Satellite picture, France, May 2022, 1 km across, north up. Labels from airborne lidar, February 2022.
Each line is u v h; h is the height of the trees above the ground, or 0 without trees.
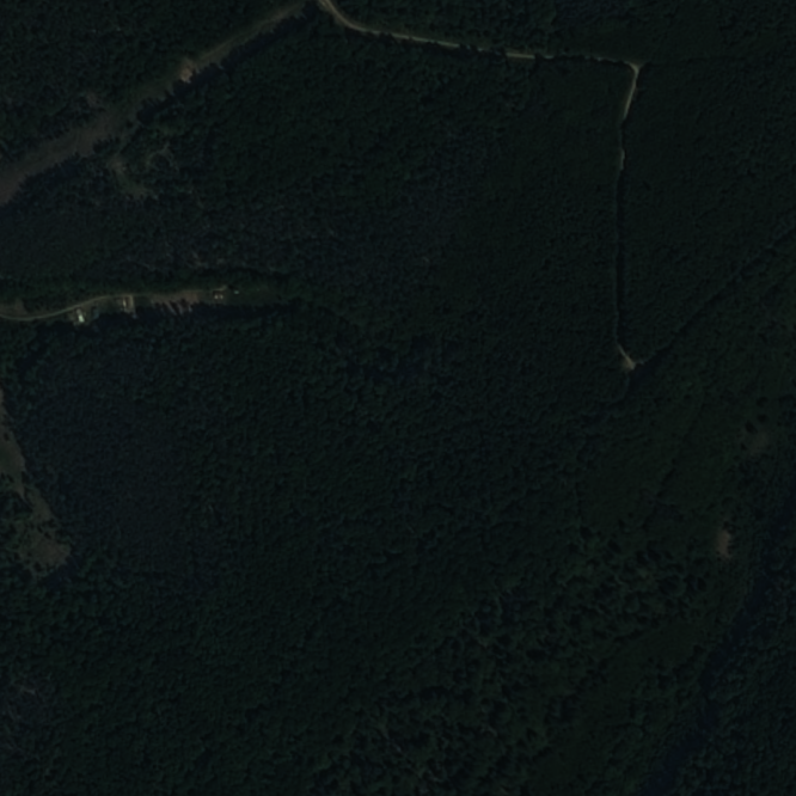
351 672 28
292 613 28
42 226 20
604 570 32
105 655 34
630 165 13
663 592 33
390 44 27
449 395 32
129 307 0
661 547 22
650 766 7
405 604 29
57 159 0
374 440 31
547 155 16
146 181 7
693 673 24
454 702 36
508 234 19
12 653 27
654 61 11
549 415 30
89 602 33
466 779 39
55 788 26
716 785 29
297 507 28
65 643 30
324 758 27
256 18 26
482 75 24
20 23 25
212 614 28
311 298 21
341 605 29
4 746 29
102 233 20
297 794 33
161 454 21
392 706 34
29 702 26
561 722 39
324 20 26
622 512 19
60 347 31
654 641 16
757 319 32
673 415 24
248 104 29
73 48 26
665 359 26
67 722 26
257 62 26
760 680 28
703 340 28
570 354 22
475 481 29
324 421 30
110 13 25
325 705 26
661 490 22
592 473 22
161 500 22
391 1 31
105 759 27
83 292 8
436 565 30
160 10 29
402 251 25
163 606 33
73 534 26
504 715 33
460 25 24
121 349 30
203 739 26
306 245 28
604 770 23
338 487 29
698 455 29
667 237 21
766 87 20
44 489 27
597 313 22
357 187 30
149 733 23
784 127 22
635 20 23
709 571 17
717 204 23
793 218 29
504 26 26
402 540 30
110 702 26
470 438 30
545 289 20
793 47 17
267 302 0
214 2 32
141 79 25
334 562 27
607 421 23
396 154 24
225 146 25
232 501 29
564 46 10
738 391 28
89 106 34
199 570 33
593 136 14
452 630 12
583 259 21
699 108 14
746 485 17
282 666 27
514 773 37
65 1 26
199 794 28
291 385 27
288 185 27
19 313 0
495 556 30
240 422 26
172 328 23
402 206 25
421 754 32
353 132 23
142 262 25
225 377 25
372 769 35
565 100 12
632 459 22
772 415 0
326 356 30
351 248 29
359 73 23
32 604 34
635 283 20
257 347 25
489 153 24
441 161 28
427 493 30
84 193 21
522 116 15
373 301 24
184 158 9
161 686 27
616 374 26
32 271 16
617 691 16
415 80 29
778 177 25
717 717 33
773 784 28
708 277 20
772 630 35
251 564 27
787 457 8
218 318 30
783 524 29
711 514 22
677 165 12
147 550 24
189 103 26
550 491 29
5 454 0
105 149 6
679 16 11
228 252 27
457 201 24
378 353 22
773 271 26
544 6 33
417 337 22
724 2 22
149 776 24
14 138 27
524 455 29
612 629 34
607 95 10
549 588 31
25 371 28
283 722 29
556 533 28
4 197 0
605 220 23
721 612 13
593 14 29
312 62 24
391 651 27
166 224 26
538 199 23
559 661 36
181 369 26
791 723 32
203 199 26
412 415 33
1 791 28
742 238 20
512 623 33
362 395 32
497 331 22
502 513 27
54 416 30
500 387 34
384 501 28
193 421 27
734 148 20
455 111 27
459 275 17
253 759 26
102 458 29
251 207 22
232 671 28
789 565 38
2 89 27
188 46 27
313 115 25
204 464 28
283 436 32
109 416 25
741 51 12
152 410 23
